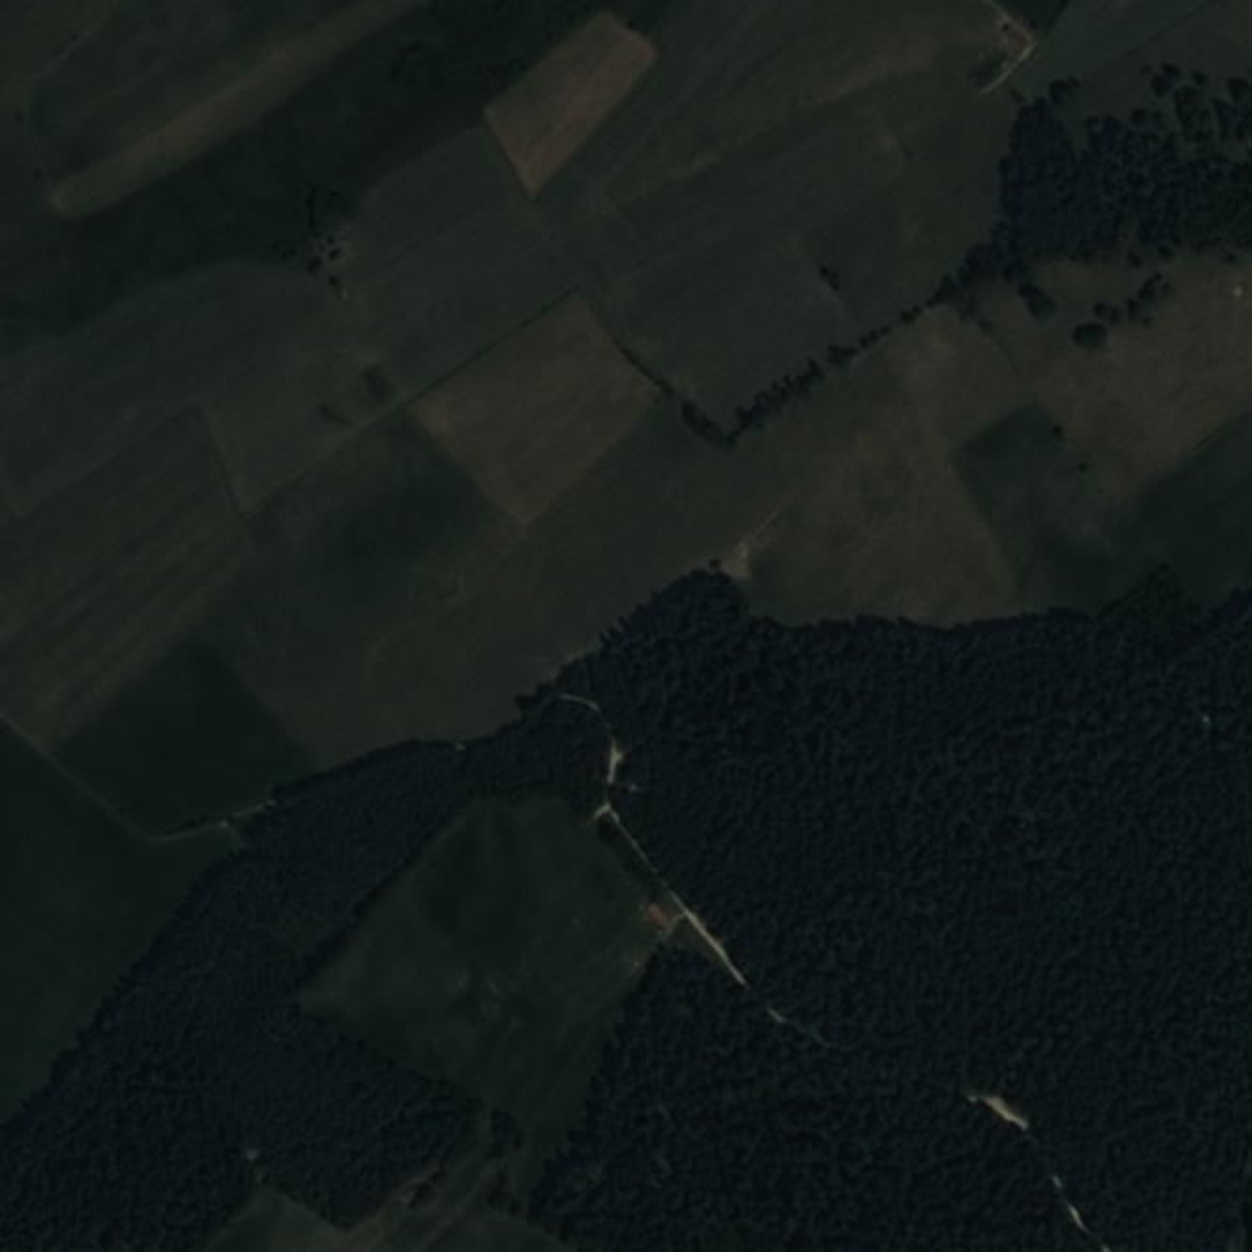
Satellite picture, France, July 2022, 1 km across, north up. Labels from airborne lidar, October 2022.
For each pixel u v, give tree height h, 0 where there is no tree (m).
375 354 0
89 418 0
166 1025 23
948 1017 31
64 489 0
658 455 0
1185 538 0
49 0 0
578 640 0
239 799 0
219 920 25
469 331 0
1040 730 32
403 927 0
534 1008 0
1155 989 34
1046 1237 15
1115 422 0
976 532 0
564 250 0
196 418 0
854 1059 23
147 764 0
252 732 0
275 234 0
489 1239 0
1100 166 27
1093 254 16
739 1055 25
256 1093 20
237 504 0
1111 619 11
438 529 0
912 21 0
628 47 0
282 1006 19
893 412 0
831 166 0
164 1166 20
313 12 0
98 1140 24
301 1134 20
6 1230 26
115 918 0
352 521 0
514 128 0
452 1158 19
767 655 22
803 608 0
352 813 23
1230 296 0
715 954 0
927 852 24
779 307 0
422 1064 0
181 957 23
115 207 0
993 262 26
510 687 0
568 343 0
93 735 0
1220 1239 24
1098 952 34
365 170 0
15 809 0
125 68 0
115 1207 24
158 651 0
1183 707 22
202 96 0
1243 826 39
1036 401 0
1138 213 21
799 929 33
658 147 0
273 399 0
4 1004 0
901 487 0
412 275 0
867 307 0
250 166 0
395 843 21
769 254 0
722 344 0
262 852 24
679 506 0
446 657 0
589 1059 0
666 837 20
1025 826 30
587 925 0
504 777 17
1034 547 0
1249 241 8
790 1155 28
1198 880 33
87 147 0
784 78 0
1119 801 33
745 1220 35
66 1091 19
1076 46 0
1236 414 0
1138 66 0
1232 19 0
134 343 0
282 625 0
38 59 0
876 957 32
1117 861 38
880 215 0
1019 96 6
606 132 0
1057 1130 31
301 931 0
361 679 0
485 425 0
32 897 0
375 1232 0
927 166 0
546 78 0
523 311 0
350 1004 0
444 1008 0
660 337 0
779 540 0
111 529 0
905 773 24
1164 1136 32
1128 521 0
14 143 0
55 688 0
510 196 0
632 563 0
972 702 32
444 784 22
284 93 0
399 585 0
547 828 0
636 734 18
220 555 0
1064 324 0
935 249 0
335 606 0
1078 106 0
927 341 0
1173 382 0
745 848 32
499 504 0
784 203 0
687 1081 15
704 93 0
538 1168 0
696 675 20
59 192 0
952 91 0
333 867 23
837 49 0
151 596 0
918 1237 39
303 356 0
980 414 0
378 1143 21
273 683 0
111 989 0
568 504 0
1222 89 0
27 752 0
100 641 0
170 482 0
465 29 7
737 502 0
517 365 0
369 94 0
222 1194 21
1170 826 33
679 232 0
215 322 0
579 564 0
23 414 0
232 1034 18
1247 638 33
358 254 0
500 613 0
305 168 0
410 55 6
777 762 35
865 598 0
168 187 0
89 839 0
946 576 0
